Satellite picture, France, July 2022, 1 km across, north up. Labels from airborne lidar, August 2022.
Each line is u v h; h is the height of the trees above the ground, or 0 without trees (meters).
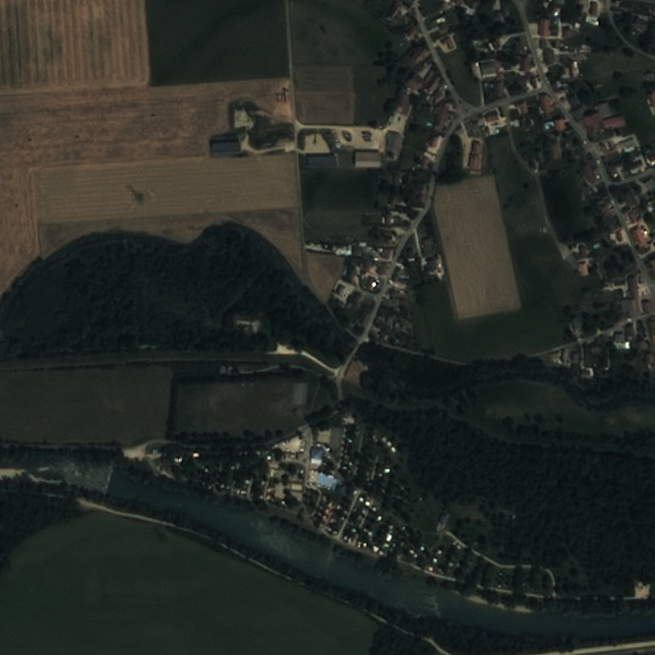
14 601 0
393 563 15
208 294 14
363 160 0
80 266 25
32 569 0
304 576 13
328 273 0
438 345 0
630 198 0
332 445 0
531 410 0
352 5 0
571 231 0
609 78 0
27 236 0
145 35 0
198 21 0
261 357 0
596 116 0
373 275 0
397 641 6
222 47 0
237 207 0
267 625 0
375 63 7
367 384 15
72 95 0
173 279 13
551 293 0
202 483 7
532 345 0
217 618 0
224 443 10
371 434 8
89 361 0
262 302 16
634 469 24
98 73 0
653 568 14
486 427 0
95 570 0
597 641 7
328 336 20
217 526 0
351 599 22
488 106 0
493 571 14
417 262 8
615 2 7
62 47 0
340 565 0
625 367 8
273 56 0
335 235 0
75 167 0
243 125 0
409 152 0
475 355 0
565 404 0
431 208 0
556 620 0
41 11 0
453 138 10
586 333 8
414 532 20
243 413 0
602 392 14
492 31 15
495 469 10
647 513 21
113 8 0
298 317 24
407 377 10
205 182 0
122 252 20
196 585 0
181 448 7
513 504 14
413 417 7
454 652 9
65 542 0
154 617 0
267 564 6
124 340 18
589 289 8
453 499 17
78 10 0
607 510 19
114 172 0
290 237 0
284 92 0
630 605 14
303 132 0
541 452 19
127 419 0
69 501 11
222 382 11
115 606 0
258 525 0
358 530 9
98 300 14
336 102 0
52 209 0
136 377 0
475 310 0
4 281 0
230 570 0
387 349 7
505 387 0
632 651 0
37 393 0
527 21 0
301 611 0
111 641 0
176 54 0
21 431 0
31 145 0
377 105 0
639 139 0
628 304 0
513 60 7
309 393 0
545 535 12
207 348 19
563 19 7
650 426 0
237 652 0
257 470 12
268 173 0
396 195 11
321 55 0
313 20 0
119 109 0
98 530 0
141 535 0
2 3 0
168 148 0
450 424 14
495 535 16
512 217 0
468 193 0
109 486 0
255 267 32
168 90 0
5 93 0
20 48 0
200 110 0
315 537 15
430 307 0
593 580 13
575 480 23
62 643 0
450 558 12
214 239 20
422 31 0
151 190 0
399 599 0
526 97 0
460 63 0
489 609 0
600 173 0
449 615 0
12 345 14
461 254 0
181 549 0
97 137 0
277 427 0
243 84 0
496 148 0
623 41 6
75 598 0
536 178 0
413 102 13
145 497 0
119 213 0
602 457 10
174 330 11
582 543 15
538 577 10
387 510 9
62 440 0
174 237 0
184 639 0
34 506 7
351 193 0
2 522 11
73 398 0
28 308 10
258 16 0
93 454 15
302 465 0
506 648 13
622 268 10
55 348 10
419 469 17
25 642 0
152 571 0
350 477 9
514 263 0
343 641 0
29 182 0
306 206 0
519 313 0
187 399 0
